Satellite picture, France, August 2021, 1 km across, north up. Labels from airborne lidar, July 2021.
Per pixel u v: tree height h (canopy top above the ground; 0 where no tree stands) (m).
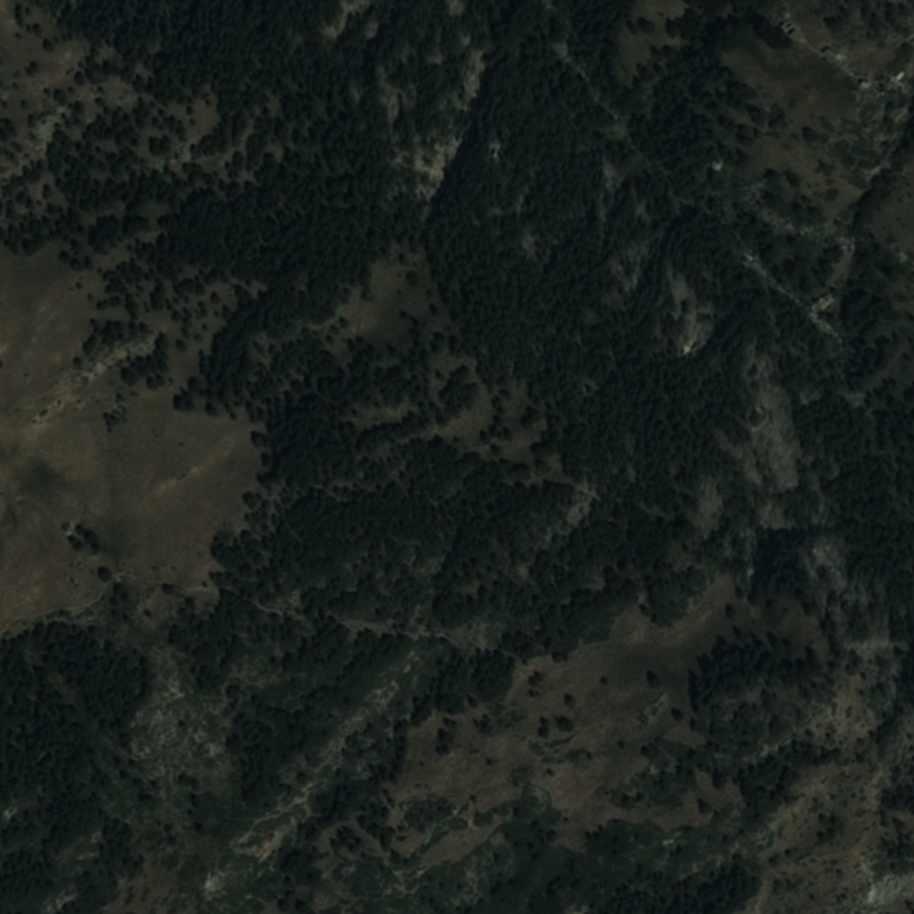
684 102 10
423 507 19
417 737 0
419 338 15
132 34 16
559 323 20
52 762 16
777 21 0
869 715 0
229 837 0
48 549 0
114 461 0
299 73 19
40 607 0
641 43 0
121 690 9
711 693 13
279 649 0
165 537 0
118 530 0
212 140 14
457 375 14
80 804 21
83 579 0
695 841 0
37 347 0
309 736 13
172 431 0
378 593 10
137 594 0
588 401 14
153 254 15
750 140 12
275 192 26
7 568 0
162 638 0
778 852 0
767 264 28
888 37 0
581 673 0
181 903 0
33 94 0
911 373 0
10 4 0
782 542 16
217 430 0
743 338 16
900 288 0
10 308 0
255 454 0
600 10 19
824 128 0
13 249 20
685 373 18
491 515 19
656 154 9
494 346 16
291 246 27
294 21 15
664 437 21
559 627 0
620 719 0
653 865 0
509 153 21
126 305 8
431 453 19
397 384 13
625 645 0
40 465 0
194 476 0
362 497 18
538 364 13
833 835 13
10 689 25
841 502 18
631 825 0
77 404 0
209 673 11
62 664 22
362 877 0
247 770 12
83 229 23
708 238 22
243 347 16
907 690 16
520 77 11
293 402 20
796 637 0
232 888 0
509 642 20
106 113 12
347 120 19
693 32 25
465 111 16
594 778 0
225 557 20
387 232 19
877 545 14
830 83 0
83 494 0
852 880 0
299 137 23
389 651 14
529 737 0
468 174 18
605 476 13
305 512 26
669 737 0
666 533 25
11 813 0
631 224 18
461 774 0
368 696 0
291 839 0
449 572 23
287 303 17
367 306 0
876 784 0
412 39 18
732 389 16
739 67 0
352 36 21
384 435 12
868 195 15
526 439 0
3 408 0
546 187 17
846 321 20
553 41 13
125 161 18
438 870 0
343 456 17
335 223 23
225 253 20
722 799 0
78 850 0
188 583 0
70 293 0
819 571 9
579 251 19
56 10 10
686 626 0
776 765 21
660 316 8
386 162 8
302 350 17
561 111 14
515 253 14
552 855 0
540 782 0
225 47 15
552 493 18
